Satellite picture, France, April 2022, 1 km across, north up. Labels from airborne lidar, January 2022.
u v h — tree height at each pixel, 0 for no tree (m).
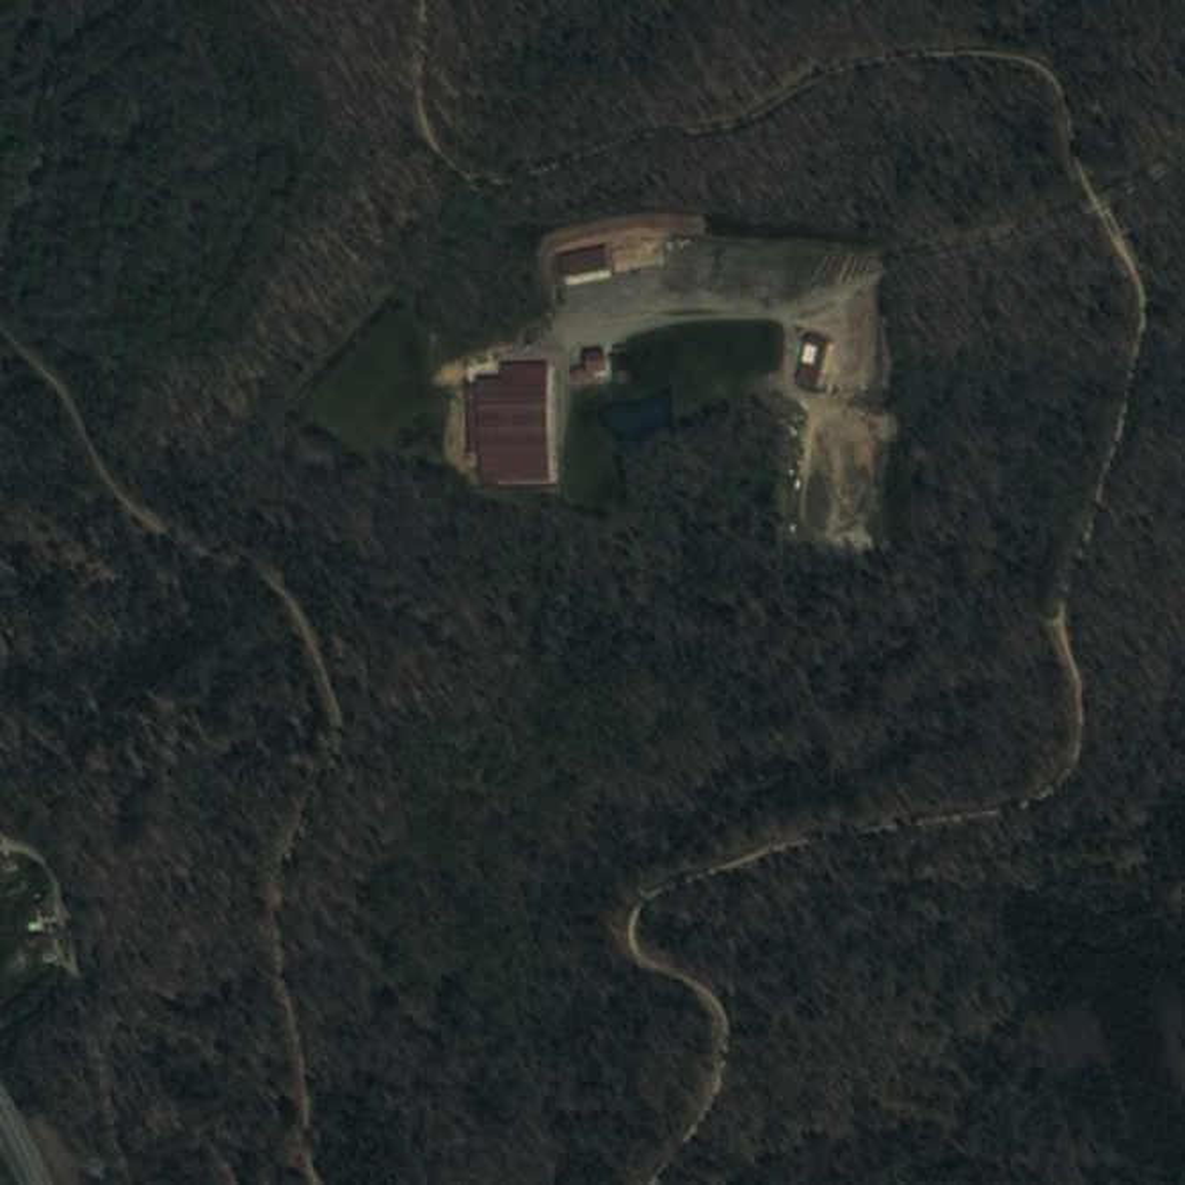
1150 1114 16
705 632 18
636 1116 23
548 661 22
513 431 0
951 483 25
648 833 23
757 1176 21
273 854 24
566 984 27
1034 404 23
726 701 20
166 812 22
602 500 0
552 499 0
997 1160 16
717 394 0
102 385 28
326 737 26
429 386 0
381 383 0
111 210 24
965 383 26
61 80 21
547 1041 19
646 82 22
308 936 27
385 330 0
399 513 33
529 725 18
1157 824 21
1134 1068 15
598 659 23
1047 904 13
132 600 24
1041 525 25
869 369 0
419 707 29
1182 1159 11
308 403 0
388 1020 32
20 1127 0
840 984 21
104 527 24
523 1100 29
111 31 20
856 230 23
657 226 0
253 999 20
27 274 23
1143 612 26
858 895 25
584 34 23
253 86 23
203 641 18
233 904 23
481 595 28
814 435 0
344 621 29
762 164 19
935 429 25
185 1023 26
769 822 20
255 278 24
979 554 23
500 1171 28
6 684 15
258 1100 9
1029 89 25
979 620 26
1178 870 18
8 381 26
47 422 29
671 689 20
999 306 24
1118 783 25
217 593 29
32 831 20
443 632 22
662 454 27
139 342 23
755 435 23
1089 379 25
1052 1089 23
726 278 0
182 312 22
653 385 0
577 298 0
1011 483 18
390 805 25
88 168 14
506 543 24
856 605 22
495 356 0
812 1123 24
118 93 23
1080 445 22
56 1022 17
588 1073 25
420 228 32
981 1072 14
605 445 0
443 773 25
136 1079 27
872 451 0
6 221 18
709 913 28
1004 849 16
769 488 14
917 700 22
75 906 20
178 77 24
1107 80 23
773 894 24
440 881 16
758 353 0
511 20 25
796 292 0
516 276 26
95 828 26
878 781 24
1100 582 24
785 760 11
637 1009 26
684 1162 13
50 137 17
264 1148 20
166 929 22
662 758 19
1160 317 16
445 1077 31
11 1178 13
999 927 14
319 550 29
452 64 22
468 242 26
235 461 33
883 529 0
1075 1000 19
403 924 17
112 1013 23
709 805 21
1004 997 13
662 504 23
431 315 28
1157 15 22
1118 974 15
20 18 22
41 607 31
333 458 33
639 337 0
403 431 0
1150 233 23
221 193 23
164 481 24
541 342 0
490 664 28
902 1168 22
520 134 24
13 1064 18
